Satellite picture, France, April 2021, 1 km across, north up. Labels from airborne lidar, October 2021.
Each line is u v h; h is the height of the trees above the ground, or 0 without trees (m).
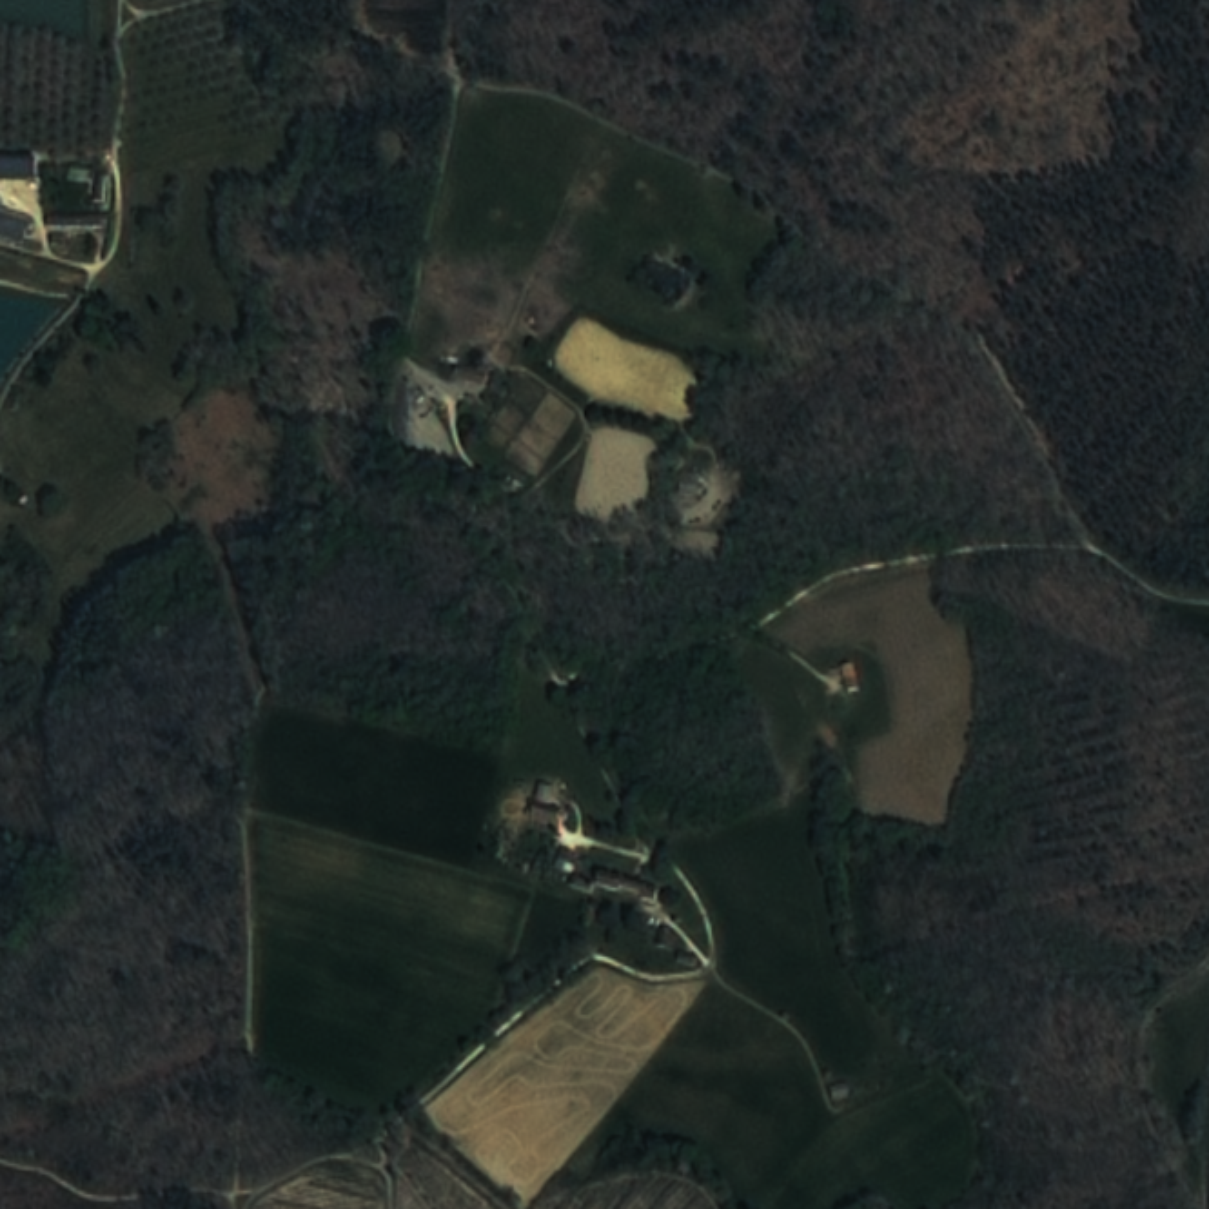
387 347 23
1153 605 22
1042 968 17
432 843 0
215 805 8
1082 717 8
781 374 18
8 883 21
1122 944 8
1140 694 9
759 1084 0
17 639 15
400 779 0
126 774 20
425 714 20
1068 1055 19
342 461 23
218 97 10
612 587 22
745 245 0
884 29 14
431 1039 0
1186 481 19
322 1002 0
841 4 22
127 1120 15
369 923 0
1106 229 18
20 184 0
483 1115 0
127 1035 21
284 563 19
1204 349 20
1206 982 0
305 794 0
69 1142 9
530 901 0
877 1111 0
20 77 8
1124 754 11
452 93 12
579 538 19
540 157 0
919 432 17
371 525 13
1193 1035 0
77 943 14
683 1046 0
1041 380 24
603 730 11
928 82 12
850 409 12
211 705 18
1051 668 14
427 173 19
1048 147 20
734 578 24
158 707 18
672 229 0
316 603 10
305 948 0
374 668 9
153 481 12
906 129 10
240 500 0
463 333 0
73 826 21
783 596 20
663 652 14
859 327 20
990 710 11
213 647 21
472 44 20
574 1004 0
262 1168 12
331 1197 0
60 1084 22
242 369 26
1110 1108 11
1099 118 11
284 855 0
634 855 0
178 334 0
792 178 16
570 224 0
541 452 0
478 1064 0
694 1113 0
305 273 19
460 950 0
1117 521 23
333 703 19
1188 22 19
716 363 18
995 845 13
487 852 7
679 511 15
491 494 16
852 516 22
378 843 0
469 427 8
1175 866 9
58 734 21
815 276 20
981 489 16
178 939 16
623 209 0
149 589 27
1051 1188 23
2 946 22
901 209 17
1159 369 21
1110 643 21
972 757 7
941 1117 0
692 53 7
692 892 0
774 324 20
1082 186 19
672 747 23
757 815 14
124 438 0
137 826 18
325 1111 13
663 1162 24
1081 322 21
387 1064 0
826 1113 0
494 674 17
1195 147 16
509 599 16
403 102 15
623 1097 0
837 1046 0
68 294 0
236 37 18
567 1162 0
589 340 0
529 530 13
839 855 23
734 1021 0
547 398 0
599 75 12
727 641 18
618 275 0
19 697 11
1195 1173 0
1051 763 11
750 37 6
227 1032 19
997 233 20
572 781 0
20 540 11
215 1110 10
